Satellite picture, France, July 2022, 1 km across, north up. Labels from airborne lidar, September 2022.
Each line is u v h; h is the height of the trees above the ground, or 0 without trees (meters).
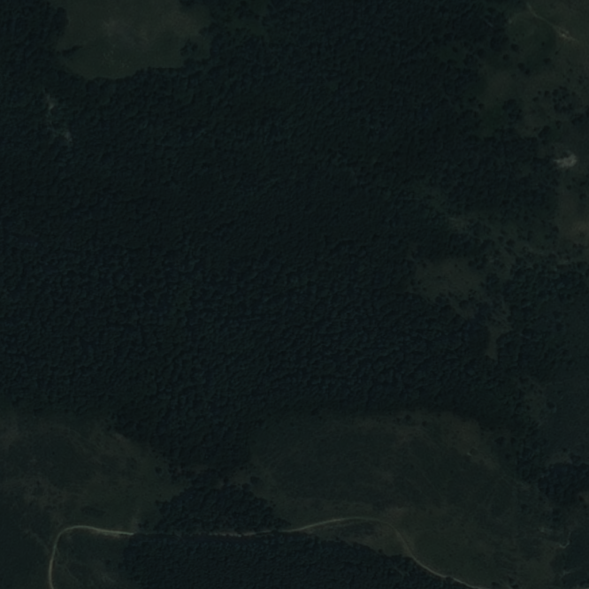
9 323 32
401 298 15
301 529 0
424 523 0
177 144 21
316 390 22
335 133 18
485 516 0
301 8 17
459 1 23
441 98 8
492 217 6
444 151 20
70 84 27
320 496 0
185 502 20
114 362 27
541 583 0
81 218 26
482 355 19
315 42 9
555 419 0
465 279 0
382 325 23
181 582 20
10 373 25
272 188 19
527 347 18
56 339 33
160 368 30
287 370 21
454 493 0
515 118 12
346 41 16
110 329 33
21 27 25
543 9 0
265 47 14
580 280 16
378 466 0
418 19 24
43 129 18
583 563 0
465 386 29
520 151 19
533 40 0
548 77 0
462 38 15
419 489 0
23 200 23
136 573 10
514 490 0
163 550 22
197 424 22
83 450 0
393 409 14
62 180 13
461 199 20
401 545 0
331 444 0
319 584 20
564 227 0
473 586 0
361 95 21
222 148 21
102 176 22
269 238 19
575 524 0
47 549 0
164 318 28
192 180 23
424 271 0
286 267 33
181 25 0
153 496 0
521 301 15
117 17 0
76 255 31
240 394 24
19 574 0
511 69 0
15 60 17
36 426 0
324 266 22
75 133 23
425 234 18
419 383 22
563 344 7
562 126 10
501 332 0
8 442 0
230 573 21
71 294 32
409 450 0
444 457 0
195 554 22
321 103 23
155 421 14
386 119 18
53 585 0
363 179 13
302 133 19
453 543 0
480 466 0
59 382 25
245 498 12
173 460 15
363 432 0
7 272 32
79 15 0
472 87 0
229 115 23
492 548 0
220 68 13
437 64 18
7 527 0
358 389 21
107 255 29
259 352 25
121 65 0
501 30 10
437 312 17
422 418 0
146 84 23
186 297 28
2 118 15
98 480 0
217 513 20
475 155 13
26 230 26
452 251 12
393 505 0
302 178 18
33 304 30
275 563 26
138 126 23
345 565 18
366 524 0
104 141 22
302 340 28
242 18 14
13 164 27
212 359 21
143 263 25
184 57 7
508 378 15
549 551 0
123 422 21
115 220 22
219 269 21
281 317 32
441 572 0
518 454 10
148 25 0
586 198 6
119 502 0
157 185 22
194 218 20
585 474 17
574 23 0
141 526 9
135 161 26
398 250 20
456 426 0
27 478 0
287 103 23
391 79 16
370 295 19
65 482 0
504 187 19
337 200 16
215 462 15
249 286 33
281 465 0
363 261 15
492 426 11
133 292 20
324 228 20
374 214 19
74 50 10
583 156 0
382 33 17
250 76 20
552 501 11
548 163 13
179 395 25
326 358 28
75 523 0
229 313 19
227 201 19
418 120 13
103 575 0
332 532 0
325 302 21
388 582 27
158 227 24
